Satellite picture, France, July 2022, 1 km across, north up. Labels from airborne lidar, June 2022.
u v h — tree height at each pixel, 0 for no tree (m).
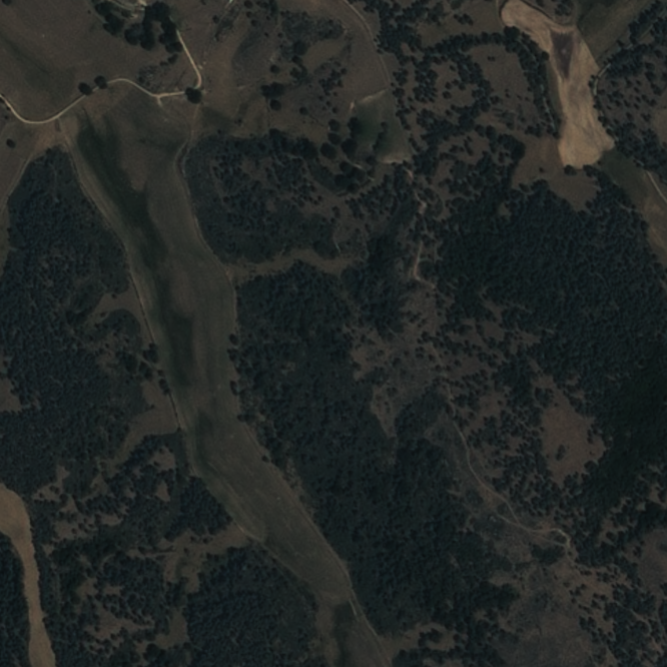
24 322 15
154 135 0
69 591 12
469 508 0
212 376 0
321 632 0
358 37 0
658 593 0
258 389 16
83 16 0
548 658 0
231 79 0
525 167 0
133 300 0
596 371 14
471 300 17
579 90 0
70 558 12
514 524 0
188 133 0
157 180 0
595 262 15
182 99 0
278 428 15
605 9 0
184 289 0
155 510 18
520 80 0
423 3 14
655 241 0
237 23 0
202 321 0
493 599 12
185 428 0
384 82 0
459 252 20
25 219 14
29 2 0
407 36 16
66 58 0
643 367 17
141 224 0
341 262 0
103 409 10
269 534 0
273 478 0
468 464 0
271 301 12
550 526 0
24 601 16
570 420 0
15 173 0
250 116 0
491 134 19
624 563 18
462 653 17
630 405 18
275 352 7
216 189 0
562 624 0
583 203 0
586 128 0
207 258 0
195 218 0
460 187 13
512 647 0
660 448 16
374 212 12
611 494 19
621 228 17
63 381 19
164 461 0
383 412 0
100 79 12
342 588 0
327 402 13
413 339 0
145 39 19
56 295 15
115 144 0
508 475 12
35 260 16
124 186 0
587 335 21
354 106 0
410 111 15
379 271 8
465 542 14
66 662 18
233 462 0
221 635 18
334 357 10
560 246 13
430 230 12
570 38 0
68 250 9
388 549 13
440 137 15
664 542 0
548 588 0
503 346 13
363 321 10
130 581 17
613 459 16
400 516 12
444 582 11
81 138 0
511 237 20
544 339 7
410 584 12
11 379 15
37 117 0
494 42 8
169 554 0
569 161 0
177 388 0
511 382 13
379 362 0
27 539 0
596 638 12
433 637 20
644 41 0
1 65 0
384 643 0
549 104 14
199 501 25
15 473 18
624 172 0
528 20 0
